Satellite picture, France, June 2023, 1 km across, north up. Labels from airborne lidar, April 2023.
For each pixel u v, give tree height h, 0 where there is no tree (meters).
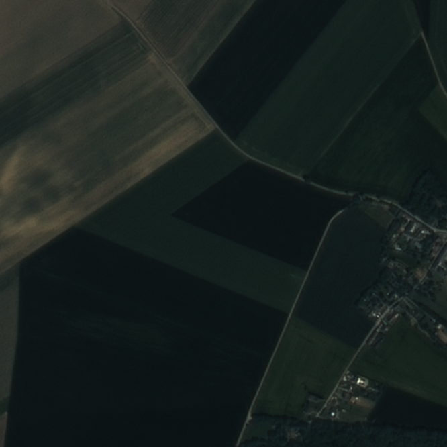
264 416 12
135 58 0
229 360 0
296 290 0
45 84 0
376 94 0
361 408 0
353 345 0
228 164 0
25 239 0
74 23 0
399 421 0
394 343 0
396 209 7
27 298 0
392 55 0
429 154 0
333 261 0
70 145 0
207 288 0
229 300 0
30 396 0
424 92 0
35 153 0
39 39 0
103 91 0
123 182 0
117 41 0
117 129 0
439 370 0
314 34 0
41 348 0
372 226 0
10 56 0
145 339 0
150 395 0
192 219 0
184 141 0
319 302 0
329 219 0
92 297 0
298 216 0
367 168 0
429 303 0
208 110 0
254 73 0
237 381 0
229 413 0
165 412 0
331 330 0
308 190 0
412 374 0
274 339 0
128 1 0
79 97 0
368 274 0
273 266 0
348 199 0
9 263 0
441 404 0
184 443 0
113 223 0
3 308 0
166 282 0
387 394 0
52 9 0
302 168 0
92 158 0
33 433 0
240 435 0
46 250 0
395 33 0
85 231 0
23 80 0
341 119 0
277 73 0
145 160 0
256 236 0
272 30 0
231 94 0
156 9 0
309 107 0
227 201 0
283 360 0
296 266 0
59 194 0
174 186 0
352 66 0
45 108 0
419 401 0
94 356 0
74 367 0
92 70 0
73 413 0
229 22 0
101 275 0
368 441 24
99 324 0
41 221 0
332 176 0
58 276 0
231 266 0
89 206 0
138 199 0
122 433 0
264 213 0
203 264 0
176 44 0
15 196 0
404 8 0
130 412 0
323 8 0
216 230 0
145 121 0
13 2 0
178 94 0
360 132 0
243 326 0
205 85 0
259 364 0
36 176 0
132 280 0
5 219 0
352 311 0
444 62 0
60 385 0
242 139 0
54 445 0
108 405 0
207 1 0
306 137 0
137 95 0
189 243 0
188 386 0
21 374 0
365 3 0
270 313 0
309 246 0
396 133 0
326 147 0
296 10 0
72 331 0
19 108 0
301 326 0
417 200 13
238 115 0
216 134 0
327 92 0
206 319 0
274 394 0
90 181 0
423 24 0
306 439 13
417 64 0
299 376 0
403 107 0
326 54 0
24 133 0
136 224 0
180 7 0
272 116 0
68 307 0
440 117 0
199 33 0
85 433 0
